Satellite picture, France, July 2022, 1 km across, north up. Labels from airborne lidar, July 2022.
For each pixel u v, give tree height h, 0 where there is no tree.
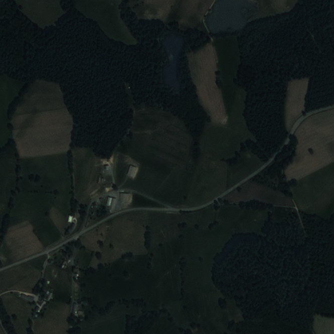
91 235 0
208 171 0
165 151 0
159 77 16
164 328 0
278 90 12
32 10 0
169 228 0
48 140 0
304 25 32
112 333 0
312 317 14
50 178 0
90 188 0
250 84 17
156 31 27
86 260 0
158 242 0
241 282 30
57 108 0
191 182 0
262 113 19
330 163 0
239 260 14
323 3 28
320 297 17
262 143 17
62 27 24
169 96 20
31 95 0
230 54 0
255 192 0
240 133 0
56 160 0
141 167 0
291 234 35
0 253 0
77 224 0
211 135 0
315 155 0
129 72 24
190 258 0
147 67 32
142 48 33
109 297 0
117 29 0
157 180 0
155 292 0
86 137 23
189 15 0
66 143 0
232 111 0
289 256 34
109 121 33
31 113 0
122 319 0
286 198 0
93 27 24
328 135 0
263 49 25
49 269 0
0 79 0
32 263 0
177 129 0
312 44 20
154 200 0
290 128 0
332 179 0
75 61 30
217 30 0
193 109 19
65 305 0
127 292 0
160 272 0
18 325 0
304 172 0
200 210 0
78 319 10
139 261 0
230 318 0
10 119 12
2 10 36
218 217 0
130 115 27
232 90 0
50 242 0
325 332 0
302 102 0
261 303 16
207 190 0
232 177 0
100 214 8
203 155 0
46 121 0
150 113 0
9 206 12
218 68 0
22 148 0
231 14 0
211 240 0
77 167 0
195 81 0
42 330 0
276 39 25
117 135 34
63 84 21
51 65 28
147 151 0
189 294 0
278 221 0
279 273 38
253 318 25
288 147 12
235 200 0
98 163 0
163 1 0
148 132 0
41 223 0
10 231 0
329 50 20
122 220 0
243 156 0
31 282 0
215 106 0
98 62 30
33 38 16
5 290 0
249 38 20
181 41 0
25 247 0
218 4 0
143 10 0
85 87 24
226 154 0
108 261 0
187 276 0
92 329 0
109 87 32
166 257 0
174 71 0
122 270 0
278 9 0
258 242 48
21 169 16
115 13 0
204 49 0
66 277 0
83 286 17
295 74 29
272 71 31
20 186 0
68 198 0
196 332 0
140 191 0
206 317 0
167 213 0
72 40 28
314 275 11
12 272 0
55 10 0
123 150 0
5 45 17
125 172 0
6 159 0
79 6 0
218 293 0
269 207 20
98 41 29
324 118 0
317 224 11
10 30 16
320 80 20
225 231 0
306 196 0
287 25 25
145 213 0
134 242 0
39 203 0
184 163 0
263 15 0
